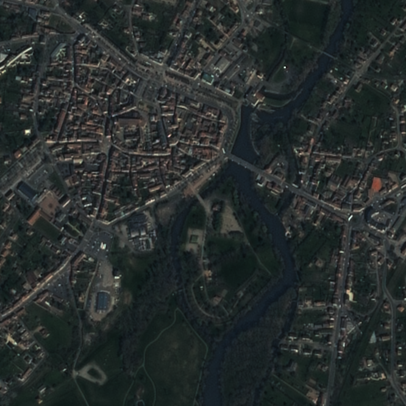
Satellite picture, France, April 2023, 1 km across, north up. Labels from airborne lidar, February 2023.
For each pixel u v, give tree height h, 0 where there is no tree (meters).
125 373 17
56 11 0
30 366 7
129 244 0
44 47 0
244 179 0
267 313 17
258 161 12
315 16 0
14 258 0
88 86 0
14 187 0
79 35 0
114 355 0
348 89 0
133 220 0
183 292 8
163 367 0
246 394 13
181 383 0
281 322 27
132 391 0
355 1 13
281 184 0
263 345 27
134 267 0
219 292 0
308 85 0
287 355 0
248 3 0
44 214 0
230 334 0
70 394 0
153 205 0
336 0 23
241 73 0
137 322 24
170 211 0
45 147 0
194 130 0
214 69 0
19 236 0
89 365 0
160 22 0
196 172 0
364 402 0
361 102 0
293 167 15
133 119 0
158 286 24
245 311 12
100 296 0
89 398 0
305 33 0
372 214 0
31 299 0
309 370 11
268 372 15
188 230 0
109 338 0
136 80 0
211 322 15
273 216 0
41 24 9
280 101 0
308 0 0
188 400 0
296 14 0
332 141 0
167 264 22
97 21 12
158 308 24
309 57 0
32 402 0
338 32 0
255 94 0
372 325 0
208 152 0
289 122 8
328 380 0
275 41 0
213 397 0
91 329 12
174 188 0
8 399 12
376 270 0
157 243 12
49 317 0
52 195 0
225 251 0
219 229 16
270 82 0
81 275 0
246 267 0
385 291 0
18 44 0
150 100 11
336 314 0
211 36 11
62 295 0
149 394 0
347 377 0
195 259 6
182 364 0
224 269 0
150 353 0
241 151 0
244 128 0
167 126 0
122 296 0
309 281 0
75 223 21
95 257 0
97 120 0
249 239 0
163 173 0
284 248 0
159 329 0
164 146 0
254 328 17
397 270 0
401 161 0
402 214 0
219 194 0
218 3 0
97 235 0
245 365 27
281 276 9
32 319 0
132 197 13
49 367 14
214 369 0
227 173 0
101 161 0
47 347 0
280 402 0
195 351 0
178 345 0
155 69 0
